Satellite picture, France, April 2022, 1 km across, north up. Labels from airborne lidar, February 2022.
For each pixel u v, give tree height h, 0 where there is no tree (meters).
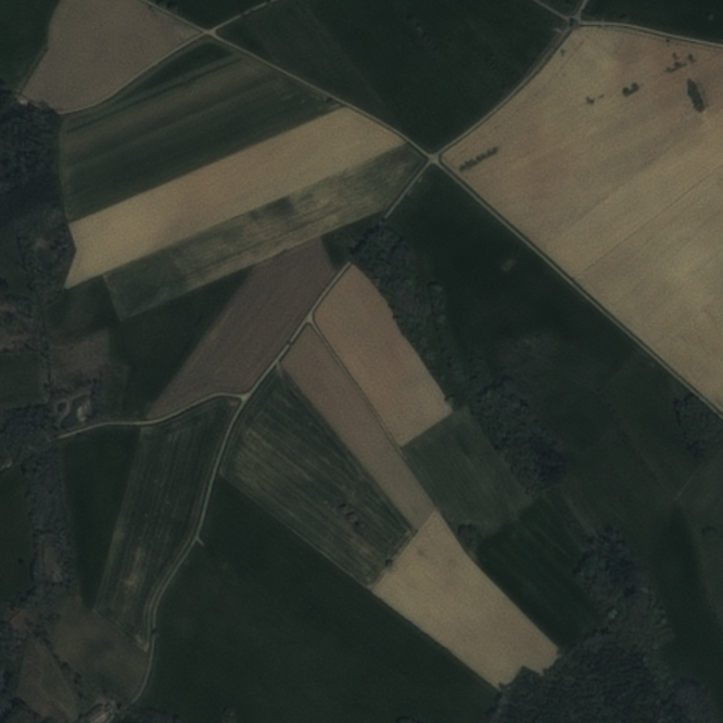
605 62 0
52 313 0
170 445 0
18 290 0
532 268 0
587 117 0
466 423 0
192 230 0
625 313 0
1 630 10
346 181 0
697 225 0
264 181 0
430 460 0
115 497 0
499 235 0
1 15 0
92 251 0
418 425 0
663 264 0
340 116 0
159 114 0
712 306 0
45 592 13
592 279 0
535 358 0
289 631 0
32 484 7
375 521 0
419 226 0
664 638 0
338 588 0
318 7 0
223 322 0
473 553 0
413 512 0
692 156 0
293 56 0
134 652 0
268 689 0
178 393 0
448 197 0
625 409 0
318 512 0
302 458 0
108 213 0
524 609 0
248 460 0
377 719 0
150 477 0
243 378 0
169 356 0
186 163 0
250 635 0
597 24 0
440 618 0
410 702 0
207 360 0
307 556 0
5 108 20
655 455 0
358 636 0
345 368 0
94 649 0
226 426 0
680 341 0
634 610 18
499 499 0
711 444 13
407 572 0
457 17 0
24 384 0
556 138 0
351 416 0
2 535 0
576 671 8
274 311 0
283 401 0
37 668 0
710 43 0
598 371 0
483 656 0
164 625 0
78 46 0
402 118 0
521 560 0
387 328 0
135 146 0
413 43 0
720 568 0
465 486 0
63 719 0
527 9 0
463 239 0
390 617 0
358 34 0
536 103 0
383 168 0
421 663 0
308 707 0
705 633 0
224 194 0
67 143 0
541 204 0
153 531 0
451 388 9
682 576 0
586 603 0
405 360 0
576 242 0
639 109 0
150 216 0
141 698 0
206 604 0
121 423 0
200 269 0
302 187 0
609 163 0
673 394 0
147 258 0
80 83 0
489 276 0
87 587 0
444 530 0
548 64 0
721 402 0
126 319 0
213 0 0
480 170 0
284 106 0
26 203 21
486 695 0
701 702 27
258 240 0
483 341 0
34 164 27
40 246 0
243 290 0
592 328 0
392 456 0
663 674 15
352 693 0
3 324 22
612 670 9
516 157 0
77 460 0
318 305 0
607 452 0
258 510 0
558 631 0
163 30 0
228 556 0
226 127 0
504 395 18
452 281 0
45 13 0
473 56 0
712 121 0
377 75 0
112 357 0
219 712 0
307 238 0
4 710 21
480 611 0
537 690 8
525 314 0
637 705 10
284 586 0
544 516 0
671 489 0
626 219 0
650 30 0
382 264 26
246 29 0
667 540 0
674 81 0
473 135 0
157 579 0
